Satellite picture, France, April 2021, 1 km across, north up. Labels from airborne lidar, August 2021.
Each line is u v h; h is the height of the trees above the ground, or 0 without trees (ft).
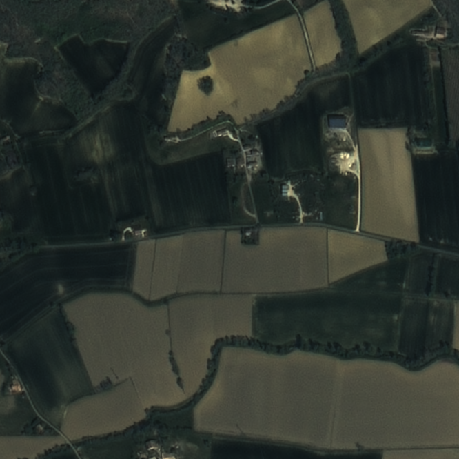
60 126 0
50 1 38
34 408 0
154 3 41
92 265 0
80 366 0
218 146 0
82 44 0
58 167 0
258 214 0
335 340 0
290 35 0
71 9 45
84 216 0
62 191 0
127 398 0
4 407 0
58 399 0
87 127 0
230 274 0
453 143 39
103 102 60
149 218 39
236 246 0
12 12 31
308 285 0
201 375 0
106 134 0
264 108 0
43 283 0
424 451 0
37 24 51
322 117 0
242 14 37
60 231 0
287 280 0
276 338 0
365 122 0
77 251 0
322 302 0
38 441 0
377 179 0
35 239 0
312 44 0
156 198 0
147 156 0
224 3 0
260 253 0
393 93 0
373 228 0
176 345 0
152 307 0
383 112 0
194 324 0
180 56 45
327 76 55
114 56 0
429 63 32
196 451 0
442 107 0
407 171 0
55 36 25
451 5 67
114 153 0
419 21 0
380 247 0
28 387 0
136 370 0
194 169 0
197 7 0
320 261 0
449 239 0
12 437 0
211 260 0
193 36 0
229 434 0
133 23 42
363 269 0
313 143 0
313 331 0
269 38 0
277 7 0
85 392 0
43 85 42
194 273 0
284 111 42
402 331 0
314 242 0
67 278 0
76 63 0
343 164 0
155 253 0
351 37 50
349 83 0
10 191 0
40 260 0
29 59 0
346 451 0
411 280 0
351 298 0
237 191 0
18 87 0
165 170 0
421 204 0
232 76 0
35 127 0
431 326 0
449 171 0
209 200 0
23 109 0
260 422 0
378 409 0
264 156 0
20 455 0
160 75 0
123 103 0
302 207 0
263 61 0
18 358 0
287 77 0
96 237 0
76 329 49
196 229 0
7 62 0
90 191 0
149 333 0
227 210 0
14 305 0
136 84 0
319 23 0
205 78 27
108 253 0
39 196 0
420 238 0
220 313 0
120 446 0
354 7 0
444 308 0
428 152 0
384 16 0
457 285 0
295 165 0
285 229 0
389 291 0
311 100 0
